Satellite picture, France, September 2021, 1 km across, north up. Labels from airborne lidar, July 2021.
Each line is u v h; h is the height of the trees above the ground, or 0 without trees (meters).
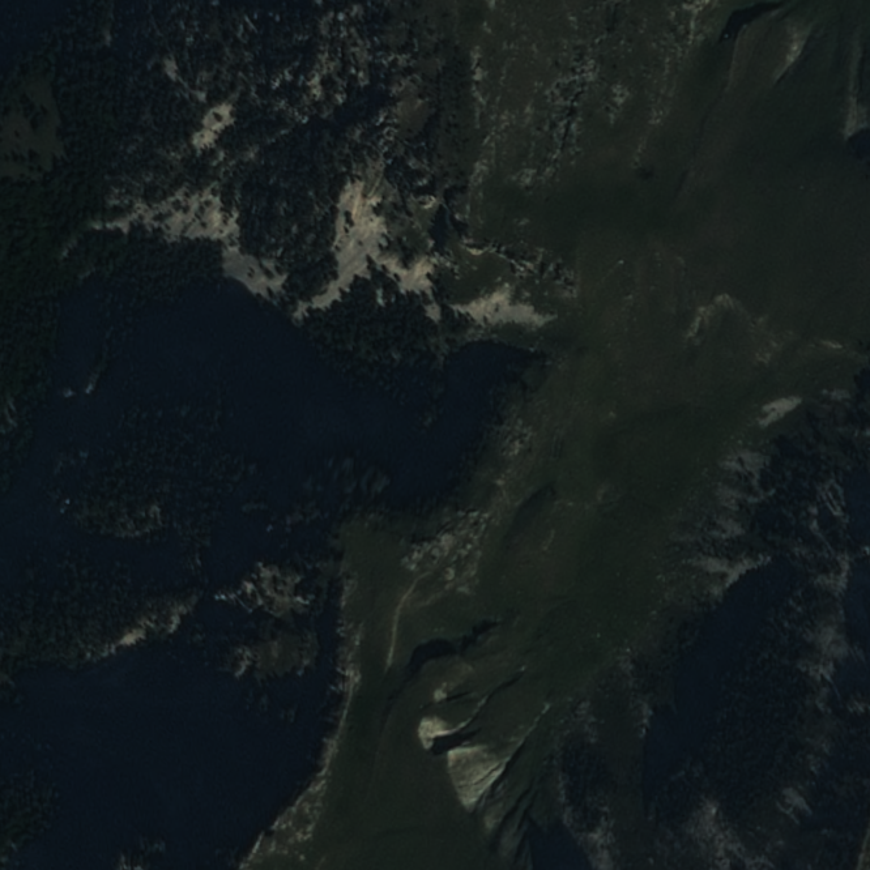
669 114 0
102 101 17
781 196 0
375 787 0
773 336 0
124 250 15
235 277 0
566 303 0
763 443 0
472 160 0
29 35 21
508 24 0
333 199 12
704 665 0
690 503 0
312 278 8
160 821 8
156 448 10
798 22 0
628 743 0
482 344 0
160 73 11
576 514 0
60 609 9
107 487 8
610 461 0
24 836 18
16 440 13
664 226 0
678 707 0
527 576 0
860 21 0
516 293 0
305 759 10
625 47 0
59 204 21
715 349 0
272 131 8
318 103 9
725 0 0
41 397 14
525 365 6
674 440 0
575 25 0
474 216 0
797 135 0
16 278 20
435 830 0
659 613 0
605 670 0
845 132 0
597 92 0
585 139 0
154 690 11
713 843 0
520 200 0
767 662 6
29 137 0
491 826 0
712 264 0
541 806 0
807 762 0
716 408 0
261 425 11
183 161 7
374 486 10
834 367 0
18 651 6
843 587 0
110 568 10
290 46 9
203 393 19
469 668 0
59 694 0
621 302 0
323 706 9
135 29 8
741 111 0
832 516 8
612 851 0
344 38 7
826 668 0
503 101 0
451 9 0
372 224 0
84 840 13
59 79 16
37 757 13
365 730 0
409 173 8
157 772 0
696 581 0
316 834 0
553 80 0
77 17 26
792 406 0
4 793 15
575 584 0
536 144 0
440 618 0
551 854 0
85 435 9
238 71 8
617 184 0
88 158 17
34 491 10
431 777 0
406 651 0
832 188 0
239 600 21
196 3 6
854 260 0
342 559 0
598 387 0
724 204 0
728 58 0
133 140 7
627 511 0
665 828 0
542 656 0
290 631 0
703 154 0
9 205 23
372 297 7
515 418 0
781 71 0
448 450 0
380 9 6
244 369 12
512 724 0
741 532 0
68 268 16
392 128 6
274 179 8
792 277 0
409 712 0
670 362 0
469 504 0
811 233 0
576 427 0
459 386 0
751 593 12
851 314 0
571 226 0
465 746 0
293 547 6
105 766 9
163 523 6
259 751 8
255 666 9
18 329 21
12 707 9
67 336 17
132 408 16
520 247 0
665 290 0
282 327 7
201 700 0
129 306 16
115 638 9
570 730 0
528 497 0
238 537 12
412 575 0
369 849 0
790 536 9
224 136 8
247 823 0
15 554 10
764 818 0
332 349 8
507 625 0
